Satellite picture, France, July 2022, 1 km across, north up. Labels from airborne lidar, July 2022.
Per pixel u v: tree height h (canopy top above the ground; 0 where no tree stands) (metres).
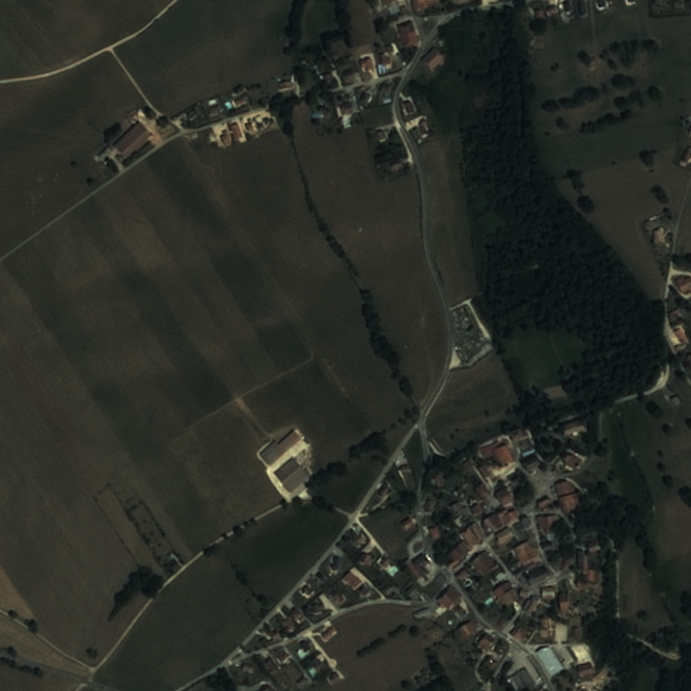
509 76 16
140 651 0
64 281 0
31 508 0
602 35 0
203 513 0
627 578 0
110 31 0
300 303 0
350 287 0
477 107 0
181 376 0
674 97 0
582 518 17
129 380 0
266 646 6
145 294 0
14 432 0
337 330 0
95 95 0
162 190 0
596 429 14
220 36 0
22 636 0
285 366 0
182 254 0
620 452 0
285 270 0
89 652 12
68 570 0
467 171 7
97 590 0
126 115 0
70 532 0
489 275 6
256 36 0
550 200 19
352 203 0
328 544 0
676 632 24
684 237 0
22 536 0
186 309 0
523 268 8
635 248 0
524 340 0
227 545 0
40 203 0
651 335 20
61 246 0
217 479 0
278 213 0
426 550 0
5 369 0
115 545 0
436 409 0
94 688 0
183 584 0
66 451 0
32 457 0
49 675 0
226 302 0
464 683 0
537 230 8
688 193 0
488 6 0
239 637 0
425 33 0
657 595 0
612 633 18
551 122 0
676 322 8
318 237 0
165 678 0
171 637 0
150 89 0
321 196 0
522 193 25
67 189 0
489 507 0
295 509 0
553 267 8
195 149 0
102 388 0
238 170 0
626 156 0
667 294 0
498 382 0
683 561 0
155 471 0
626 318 23
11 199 0
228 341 0
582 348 0
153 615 0
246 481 0
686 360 0
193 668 0
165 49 0
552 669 0
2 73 0
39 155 0
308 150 0
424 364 0
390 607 0
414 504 21
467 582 0
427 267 0
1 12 0
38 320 0
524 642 0
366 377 0
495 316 11
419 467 0
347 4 10
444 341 0
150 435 0
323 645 0
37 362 0
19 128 0
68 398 0
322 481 17
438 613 0
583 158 0
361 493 0
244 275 0
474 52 0
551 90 0
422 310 0
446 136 0
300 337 0
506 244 15
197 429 0
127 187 0
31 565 0
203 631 0
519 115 9
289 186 0
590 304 28
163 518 0
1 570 0
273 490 0
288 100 11
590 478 0
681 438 0
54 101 0
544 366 0
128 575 0
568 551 9
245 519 0
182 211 0
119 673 0
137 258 0
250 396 0
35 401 0
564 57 0
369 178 0
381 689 0
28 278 0
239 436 0
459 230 0
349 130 0
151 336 0
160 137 0
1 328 0
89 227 0
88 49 0
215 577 0
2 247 0
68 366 0
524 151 17
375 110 0
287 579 0
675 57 0
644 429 0
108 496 0
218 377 0
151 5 0
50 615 0
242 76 0
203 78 0
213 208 0
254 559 0
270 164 0
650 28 0
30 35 0
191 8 0
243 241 0
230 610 0
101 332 0
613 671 9
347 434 0
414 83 12
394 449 0
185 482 0
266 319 0
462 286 0
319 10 0
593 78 0
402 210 0
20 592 0
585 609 0
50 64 0
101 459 0
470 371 0
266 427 0
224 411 0
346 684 0
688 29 0
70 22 0
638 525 29
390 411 0
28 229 0
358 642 0
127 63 0
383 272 0
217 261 0
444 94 0
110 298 0
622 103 19
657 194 16
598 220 0
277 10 0
